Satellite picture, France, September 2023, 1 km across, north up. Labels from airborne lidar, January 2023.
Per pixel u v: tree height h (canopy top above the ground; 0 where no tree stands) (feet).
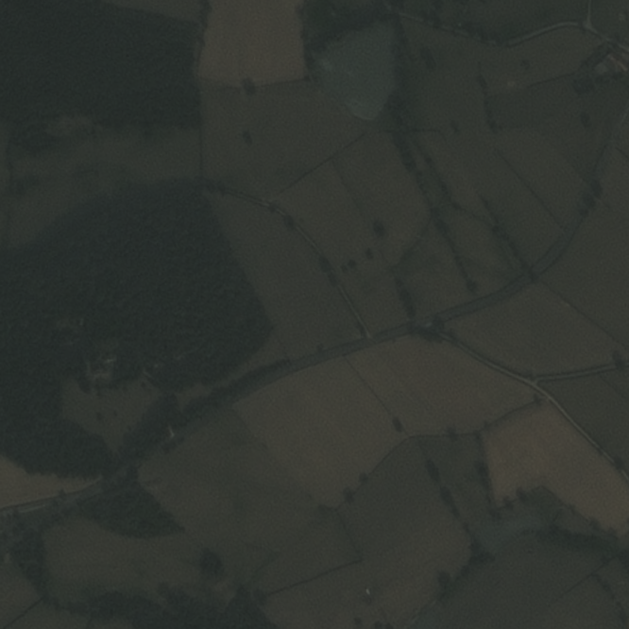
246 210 0
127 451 58
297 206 0
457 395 0
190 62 28
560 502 0
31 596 0
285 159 0
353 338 0
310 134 0
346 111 0
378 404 0
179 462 0
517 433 0
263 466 0
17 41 47
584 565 0
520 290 0
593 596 0
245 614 36
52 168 0
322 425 0
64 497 30
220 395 38
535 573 0
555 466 0
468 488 0
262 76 0
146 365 32
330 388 0
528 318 0
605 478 0
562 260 0
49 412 59
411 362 0
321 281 0
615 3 0
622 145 0
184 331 41
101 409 0
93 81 37
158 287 67
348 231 0
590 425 0
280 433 0
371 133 0
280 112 0
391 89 0
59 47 40
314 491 0
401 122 85
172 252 78
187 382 69
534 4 0
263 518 0
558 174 0
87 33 46
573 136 0
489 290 0
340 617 0
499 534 0
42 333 64
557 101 0
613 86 0
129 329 49
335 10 38
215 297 68
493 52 0
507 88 0
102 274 84
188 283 70
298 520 0
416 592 0
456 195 0
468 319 0
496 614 0
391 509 0
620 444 0
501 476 0
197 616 63
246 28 0
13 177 18
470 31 59
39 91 36
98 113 48
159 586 0
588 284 0
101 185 0
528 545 0
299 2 0
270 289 0
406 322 0
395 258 0
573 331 0
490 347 0
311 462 0
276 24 0
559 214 0
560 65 0
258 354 0
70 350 77
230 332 80
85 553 0
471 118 0
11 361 48
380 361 0
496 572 0
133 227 70
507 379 0
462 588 0
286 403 0
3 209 0
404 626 0
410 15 0
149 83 61
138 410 0
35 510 0
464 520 0
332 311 0
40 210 0
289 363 20
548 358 0
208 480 0
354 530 0
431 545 0
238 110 0
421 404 0
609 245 0
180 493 0
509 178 0
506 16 0
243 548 0
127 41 60
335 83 0
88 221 78
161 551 0
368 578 0
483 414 0
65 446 53
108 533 0
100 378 0
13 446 83
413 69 0
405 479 0
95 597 0
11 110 34
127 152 0
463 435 0
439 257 0
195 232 46
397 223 0
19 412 48
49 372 58
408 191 0
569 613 0
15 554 34
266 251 0
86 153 0
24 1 54
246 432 0
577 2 0
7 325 55
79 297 54
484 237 0
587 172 0
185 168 0
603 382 0
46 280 68
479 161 0
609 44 0
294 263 0
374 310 0
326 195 0
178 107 76
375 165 0
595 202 38
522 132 0
